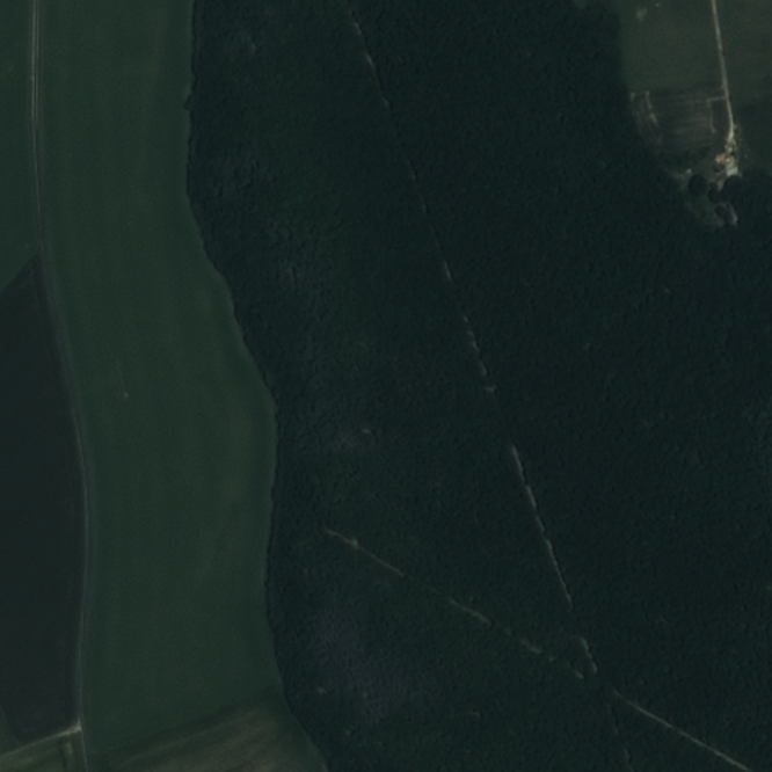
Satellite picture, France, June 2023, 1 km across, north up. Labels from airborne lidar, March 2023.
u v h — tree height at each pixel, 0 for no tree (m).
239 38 23
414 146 21
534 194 20
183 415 0
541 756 17
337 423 24
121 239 0
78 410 0
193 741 0
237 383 0
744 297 26
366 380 16
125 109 0
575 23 22
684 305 21
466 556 18
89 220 0
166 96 0
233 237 17
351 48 23
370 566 17
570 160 20
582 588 19
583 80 25
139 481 0
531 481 20
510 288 17
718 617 17
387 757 20
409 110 22
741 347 24
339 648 17
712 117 0
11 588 0
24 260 0
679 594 19
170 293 0
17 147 0
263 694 0
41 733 0
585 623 16
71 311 0
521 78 22
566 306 18
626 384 21
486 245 23
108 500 0
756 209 21
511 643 18
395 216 24
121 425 0
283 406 18
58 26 0
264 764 0
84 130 0
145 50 0
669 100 0
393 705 22
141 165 0
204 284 0
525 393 21
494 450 22
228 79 16
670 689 19
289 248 16
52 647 0
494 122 21
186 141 0
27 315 0
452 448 21
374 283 21
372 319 19
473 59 21
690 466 21
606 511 19
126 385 0
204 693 0
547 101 21
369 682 26
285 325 20
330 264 18
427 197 22
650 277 19
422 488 20
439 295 23
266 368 17
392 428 22
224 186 20
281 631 19
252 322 19
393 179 23
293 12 24
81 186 0
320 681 20
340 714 21
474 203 23
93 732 0
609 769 16
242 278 18
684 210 20
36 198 0
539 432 20
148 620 0
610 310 20
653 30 0
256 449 0
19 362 0
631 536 21
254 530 0
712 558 20
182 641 0
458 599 17
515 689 18
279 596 19
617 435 19
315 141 19
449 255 21
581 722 17
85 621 0
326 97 20
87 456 0
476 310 19
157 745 0
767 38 0
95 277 0
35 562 0
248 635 0
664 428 21
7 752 0
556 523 23
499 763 18
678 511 17
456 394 19
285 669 16
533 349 17
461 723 18
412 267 22
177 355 0
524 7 21
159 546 0
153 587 0
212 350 0
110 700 0
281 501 18
